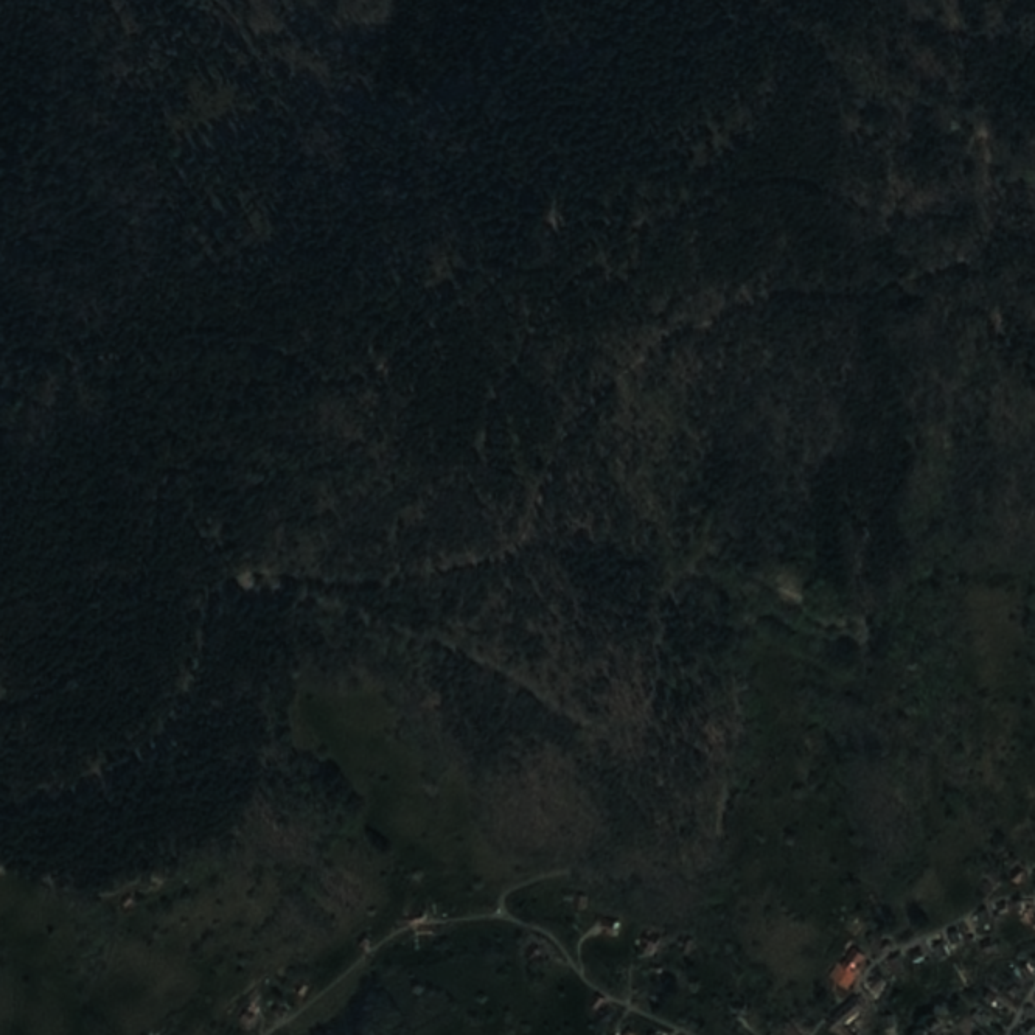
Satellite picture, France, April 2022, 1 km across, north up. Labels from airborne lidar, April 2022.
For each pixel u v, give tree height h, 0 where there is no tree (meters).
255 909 0
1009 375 21
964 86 22
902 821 20
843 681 13
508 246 22
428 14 17
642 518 25
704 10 26
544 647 15
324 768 20
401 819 0
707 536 27
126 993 0
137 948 0
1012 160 20
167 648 29
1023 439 29
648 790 19
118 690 32
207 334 24
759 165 24
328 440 22
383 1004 27
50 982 0
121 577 32
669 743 23
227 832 24
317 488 15
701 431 26
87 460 34
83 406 27
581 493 28
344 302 29
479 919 0
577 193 19
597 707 15
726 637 20
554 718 19
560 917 0
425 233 33
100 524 27
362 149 32
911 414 22
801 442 17
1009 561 10
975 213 21
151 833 28
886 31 15
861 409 17
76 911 12
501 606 17
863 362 24
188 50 38
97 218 23
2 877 0
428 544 19
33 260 29
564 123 30
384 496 21
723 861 14
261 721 26
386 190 35
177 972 0
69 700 31
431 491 19
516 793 24
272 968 0
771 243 26
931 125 29
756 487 19
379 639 25
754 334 25
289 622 33
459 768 20
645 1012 0
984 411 16
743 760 16
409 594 21
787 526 14
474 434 26
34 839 30
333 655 23
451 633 17
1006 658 0
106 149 22
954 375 23
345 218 34
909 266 11
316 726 0
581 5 25
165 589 37
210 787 34
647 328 17
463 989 0
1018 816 0
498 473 26
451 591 19
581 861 19
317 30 33
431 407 28
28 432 26
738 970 7
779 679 0
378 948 0
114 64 24
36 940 0
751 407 21
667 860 17
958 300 22
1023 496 26
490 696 20
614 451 29
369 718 0
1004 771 9
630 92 27
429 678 18
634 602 31
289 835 25
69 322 26
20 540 31
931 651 22
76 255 25
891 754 13
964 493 25
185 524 35
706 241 20
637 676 22
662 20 25
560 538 25
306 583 17
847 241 20
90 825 28
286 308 22
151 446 35
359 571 18
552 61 28
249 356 26
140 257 20
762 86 19
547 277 26
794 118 26
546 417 28
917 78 20
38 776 25
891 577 25
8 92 21
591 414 29
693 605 28
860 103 23
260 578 18
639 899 26
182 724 21
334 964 0
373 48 27
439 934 6
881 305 22
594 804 20
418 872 8
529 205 21
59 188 22
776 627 22
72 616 26
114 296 23
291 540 20
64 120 29
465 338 25
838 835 0
